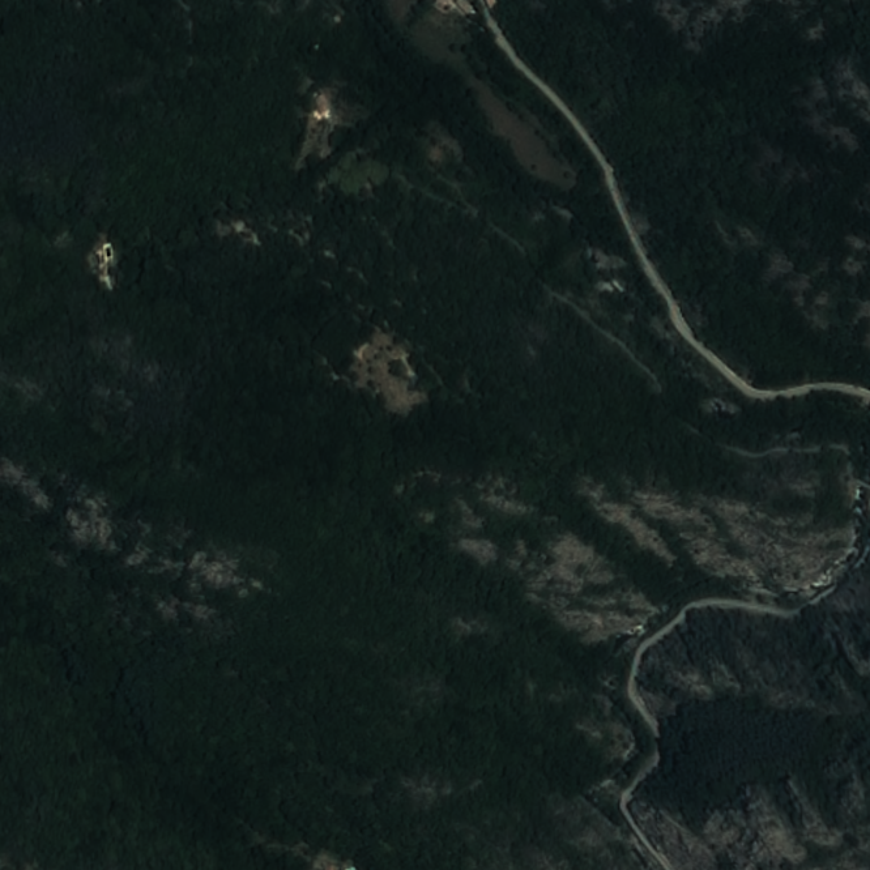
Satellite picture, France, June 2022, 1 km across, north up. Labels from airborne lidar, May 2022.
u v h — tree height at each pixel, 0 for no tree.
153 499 16
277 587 7
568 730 6
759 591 0
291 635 13
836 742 12
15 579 11
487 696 11
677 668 6
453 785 7
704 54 10
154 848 9
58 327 10
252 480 16
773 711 6
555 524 12
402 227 13
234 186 18
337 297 10
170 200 20
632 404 12
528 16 11
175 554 15
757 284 12
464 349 14
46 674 18
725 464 11
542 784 20
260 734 14
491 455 11
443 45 0
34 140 15
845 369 18
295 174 9
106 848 9
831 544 8
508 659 20
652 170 9
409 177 12
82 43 14
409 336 14
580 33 9
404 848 15
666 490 9
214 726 15
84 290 8
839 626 9
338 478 14
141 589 13
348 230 13
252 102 13
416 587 19
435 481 6
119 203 18
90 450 16
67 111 14
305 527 23
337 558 22
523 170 13
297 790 21
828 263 6
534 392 8
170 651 28
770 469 6
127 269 22
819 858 6
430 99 18
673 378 11
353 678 8
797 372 17
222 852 9
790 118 9
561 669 13
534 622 10
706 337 11
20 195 13
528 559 7
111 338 7
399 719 12
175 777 20
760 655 11
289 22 10
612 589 8
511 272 14
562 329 9
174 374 8
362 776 16
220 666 11
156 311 17
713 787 21
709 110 15
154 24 8
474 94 16
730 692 5
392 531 22
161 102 12
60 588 7
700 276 11
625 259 9
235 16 12
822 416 19
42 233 7
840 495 13
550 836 7
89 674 28
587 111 6
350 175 16
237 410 13
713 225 6
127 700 30
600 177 12
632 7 11
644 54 14
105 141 14
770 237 12
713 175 10
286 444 18
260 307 12
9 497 8
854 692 9
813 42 14
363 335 12
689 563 9
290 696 14
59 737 16
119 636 12
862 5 12
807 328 7
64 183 17
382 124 17
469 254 8
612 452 10
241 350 10
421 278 12
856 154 9
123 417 7
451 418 13
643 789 17
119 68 15
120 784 18
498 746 18
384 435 16
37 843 11
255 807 16
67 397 9
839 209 10
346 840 17
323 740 14
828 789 8
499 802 13
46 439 14
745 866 0
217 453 12
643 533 0
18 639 13
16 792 13
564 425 11
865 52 16
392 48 13
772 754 19
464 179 9
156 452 10
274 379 17
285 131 15
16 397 8
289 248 12
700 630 17
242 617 14
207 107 17
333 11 6
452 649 16
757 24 12
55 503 13
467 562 17
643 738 13
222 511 9
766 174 7
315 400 16
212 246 7
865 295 14
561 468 15
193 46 12
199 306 11
